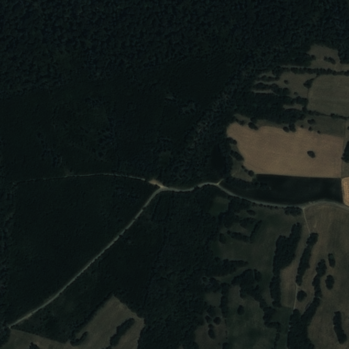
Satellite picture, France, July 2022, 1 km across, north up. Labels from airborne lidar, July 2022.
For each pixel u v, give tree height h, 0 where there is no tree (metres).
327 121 0
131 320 12
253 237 9
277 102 15
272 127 0
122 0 33
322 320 0
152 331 15
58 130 8
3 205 23
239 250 0
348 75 12
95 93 8
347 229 0
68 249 12
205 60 7
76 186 12
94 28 31
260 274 16
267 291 0
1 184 19
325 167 0
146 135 19
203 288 15
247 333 0
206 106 11
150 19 28
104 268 10
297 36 26
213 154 0
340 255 0
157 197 6
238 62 6
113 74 15
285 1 22
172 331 21
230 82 9
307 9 23
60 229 11
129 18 30
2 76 25
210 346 0
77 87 10
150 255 9
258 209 0
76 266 9
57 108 14
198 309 22
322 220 0
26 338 0
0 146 12
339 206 0
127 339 0
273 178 0
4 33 25
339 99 0
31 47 29
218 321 19
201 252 10
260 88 15
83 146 6
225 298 14
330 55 0
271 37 25
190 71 8
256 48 27
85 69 6
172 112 12
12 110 12
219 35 16
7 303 11
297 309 9
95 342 0
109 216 8
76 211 11
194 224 19
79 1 33
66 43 13
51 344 0
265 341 0
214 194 14
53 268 13
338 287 0
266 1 29
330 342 0
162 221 16
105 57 30
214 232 13
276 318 0
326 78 0
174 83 6
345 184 0
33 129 12
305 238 0
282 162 0
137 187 14
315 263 0
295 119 18
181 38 29
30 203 13
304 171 0
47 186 9
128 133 22
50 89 9
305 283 0
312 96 0
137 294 7
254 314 0
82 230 13
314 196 0
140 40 29
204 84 7
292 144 0
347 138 0
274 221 0
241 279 17
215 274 19
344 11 22
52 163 7
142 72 26
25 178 10
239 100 14
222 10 25
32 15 31
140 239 7
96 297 7
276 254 14
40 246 10
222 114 20
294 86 0
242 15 29
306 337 19
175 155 14
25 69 10
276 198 0
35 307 9
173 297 16
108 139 25
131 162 22
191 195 17
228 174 19
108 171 6
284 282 0
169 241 15
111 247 7
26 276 11
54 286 11
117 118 18
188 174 24
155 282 20
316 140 0
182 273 17
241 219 7
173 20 30
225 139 20
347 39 12
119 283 8
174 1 31
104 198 8
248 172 12
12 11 26
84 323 14
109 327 0
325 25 19
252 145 0
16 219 12
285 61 16
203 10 27
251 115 20
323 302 0
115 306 0
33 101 11
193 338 17
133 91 15
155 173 14
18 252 12
